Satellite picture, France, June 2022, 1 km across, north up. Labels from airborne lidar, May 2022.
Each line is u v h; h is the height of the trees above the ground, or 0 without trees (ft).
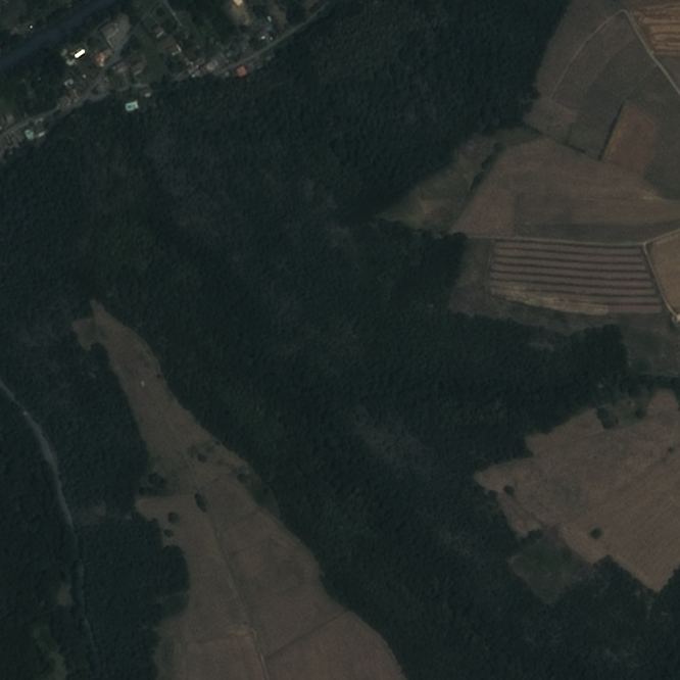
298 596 0
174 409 0
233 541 0
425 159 52
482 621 49
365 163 74
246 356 85
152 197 32
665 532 0
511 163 0
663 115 0
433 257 42
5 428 85
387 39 57
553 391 39
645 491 0
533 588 0
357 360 26
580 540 0
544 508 0
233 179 29
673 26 0
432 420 33
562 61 0
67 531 60
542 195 0
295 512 39
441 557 38
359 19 68
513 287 0
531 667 40
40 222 36
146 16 0
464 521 41
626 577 19
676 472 0
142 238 69
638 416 28
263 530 0
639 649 34
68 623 85
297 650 0
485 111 26
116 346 0
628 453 0
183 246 76
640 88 0
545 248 0
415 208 0
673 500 0
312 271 21
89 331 0
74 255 23
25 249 23
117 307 34
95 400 33
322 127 70
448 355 37
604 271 0
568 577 0
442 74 65
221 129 33
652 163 0
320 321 33
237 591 0
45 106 37
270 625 0
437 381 69
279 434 49
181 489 0
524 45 31
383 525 57
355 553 50
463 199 0
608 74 0
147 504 0
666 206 0
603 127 0
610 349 35
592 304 0
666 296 0
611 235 0
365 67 42
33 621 39
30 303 29
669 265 0
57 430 49
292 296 20
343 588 27
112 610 75
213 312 55
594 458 0
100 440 46
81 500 23
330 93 55
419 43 59
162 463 0
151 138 24
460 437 52
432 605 46
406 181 45
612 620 31
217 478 0
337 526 51
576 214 0
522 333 19
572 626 36
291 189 21
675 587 30
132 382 0
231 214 18
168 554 41
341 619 0
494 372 49
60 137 57
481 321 34
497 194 0
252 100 58
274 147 40
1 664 33
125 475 51
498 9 41
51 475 67
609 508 0
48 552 66
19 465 68
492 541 43
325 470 78
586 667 45
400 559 46
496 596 31
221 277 61
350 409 31
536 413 36
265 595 0
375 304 46
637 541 0
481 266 0
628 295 0
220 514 0
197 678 0
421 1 76
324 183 37
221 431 36
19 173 63
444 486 22
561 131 0
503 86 28
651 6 0
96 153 28
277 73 45
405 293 37
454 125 27
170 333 30
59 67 83
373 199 59
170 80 30
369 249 23
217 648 0
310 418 115
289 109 29
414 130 31
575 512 0
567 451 0
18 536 62
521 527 0
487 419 52
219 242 28
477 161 0
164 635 0
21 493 80
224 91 54
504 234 0
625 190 0
